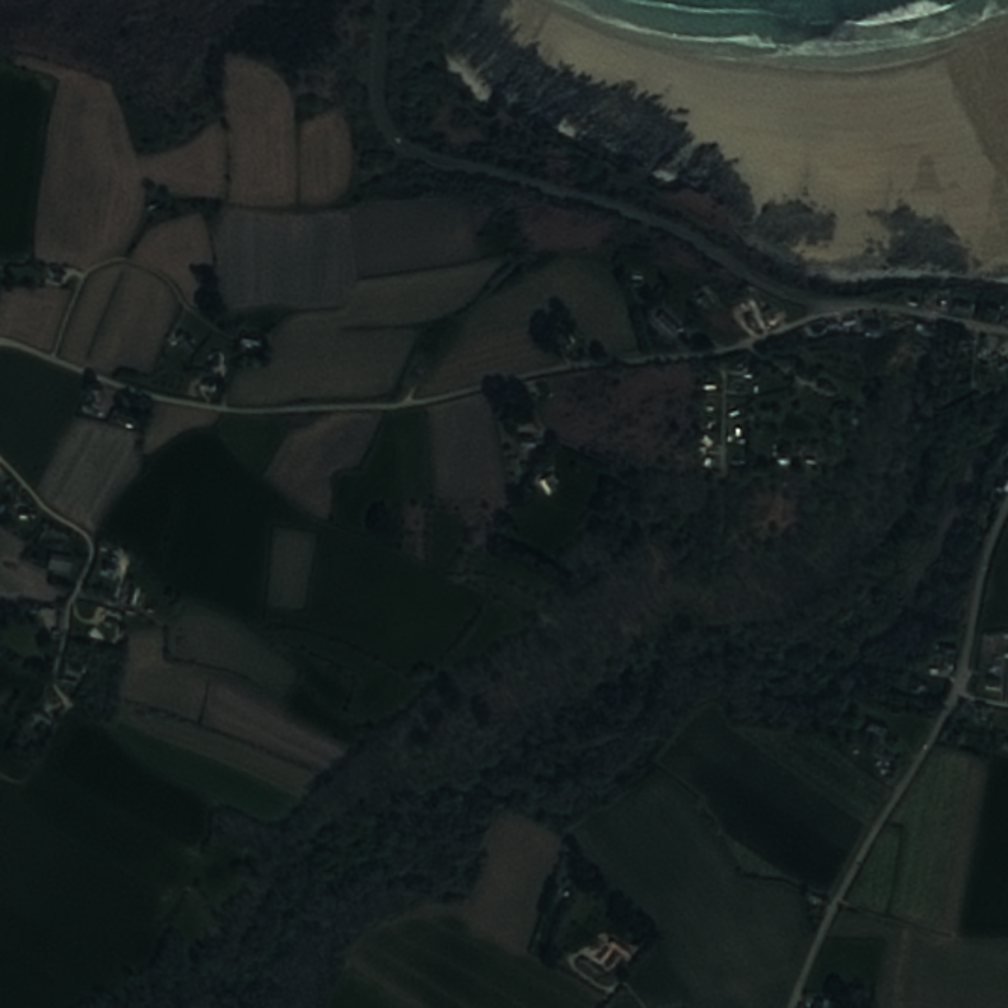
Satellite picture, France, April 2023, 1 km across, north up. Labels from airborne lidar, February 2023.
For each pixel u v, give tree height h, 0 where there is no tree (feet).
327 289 0
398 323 0
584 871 80
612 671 53
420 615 0
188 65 29
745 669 62
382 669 0
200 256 0
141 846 0
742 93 0
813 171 0
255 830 51
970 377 21
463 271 0
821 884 0
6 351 0
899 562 94
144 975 47
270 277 0
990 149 0
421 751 64
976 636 0
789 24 0
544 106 0
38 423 0
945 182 0
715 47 0
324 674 0
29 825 0
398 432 0
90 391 29
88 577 22
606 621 63
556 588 49
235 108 0
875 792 0
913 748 0
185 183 0
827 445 37
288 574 0
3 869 0
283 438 0
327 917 69
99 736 0
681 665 102
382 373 0
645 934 53
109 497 0
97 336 0
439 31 36
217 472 0
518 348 0
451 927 0
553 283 0
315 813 79
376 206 0
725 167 0
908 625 56
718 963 0
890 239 0
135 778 0
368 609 0
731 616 69
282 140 0
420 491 0
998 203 0
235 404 0
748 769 0
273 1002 64
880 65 0
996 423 32
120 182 0
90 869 0
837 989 67
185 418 0
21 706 0
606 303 0
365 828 29
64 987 0
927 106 0
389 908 39
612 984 0
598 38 0
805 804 0
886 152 0
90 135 0
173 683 0
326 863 29
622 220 31
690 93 0
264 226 0
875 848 0
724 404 0
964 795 0
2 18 0
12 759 22
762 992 0
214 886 0
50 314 0
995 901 0
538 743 91
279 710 0
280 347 0
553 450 31
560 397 0
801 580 50
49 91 0
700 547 54
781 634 81
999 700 0
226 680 0
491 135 45
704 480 30
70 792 0
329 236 0
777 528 30
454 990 0
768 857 0
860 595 74
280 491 0
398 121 17
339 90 36
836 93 0
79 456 0
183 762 0
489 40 0
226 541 0
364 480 0
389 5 0
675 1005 0
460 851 18
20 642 0
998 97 0
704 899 0
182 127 19
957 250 0
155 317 0
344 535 0
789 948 0
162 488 0
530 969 0
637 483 49
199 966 53
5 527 23
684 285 0
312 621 0
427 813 76
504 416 38
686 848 0
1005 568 0
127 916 0
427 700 35
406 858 48
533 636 43
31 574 0
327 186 0
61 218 0
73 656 23
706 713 0
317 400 0
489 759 77
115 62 19
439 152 18
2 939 0
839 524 60
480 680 52
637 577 51
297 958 63
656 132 0
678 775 0
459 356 0
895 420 58
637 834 0
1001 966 0
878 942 0
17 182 0
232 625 0
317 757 0
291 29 45
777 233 0
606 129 0
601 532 63
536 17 0
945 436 59
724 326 0
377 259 0
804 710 45
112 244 0
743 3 0
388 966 0
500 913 0
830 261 0
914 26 0
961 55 0
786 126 0
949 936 0
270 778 0
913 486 19
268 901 60
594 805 30
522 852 0
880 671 29
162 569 0
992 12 0
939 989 0
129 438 0
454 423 0
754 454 30
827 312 0
